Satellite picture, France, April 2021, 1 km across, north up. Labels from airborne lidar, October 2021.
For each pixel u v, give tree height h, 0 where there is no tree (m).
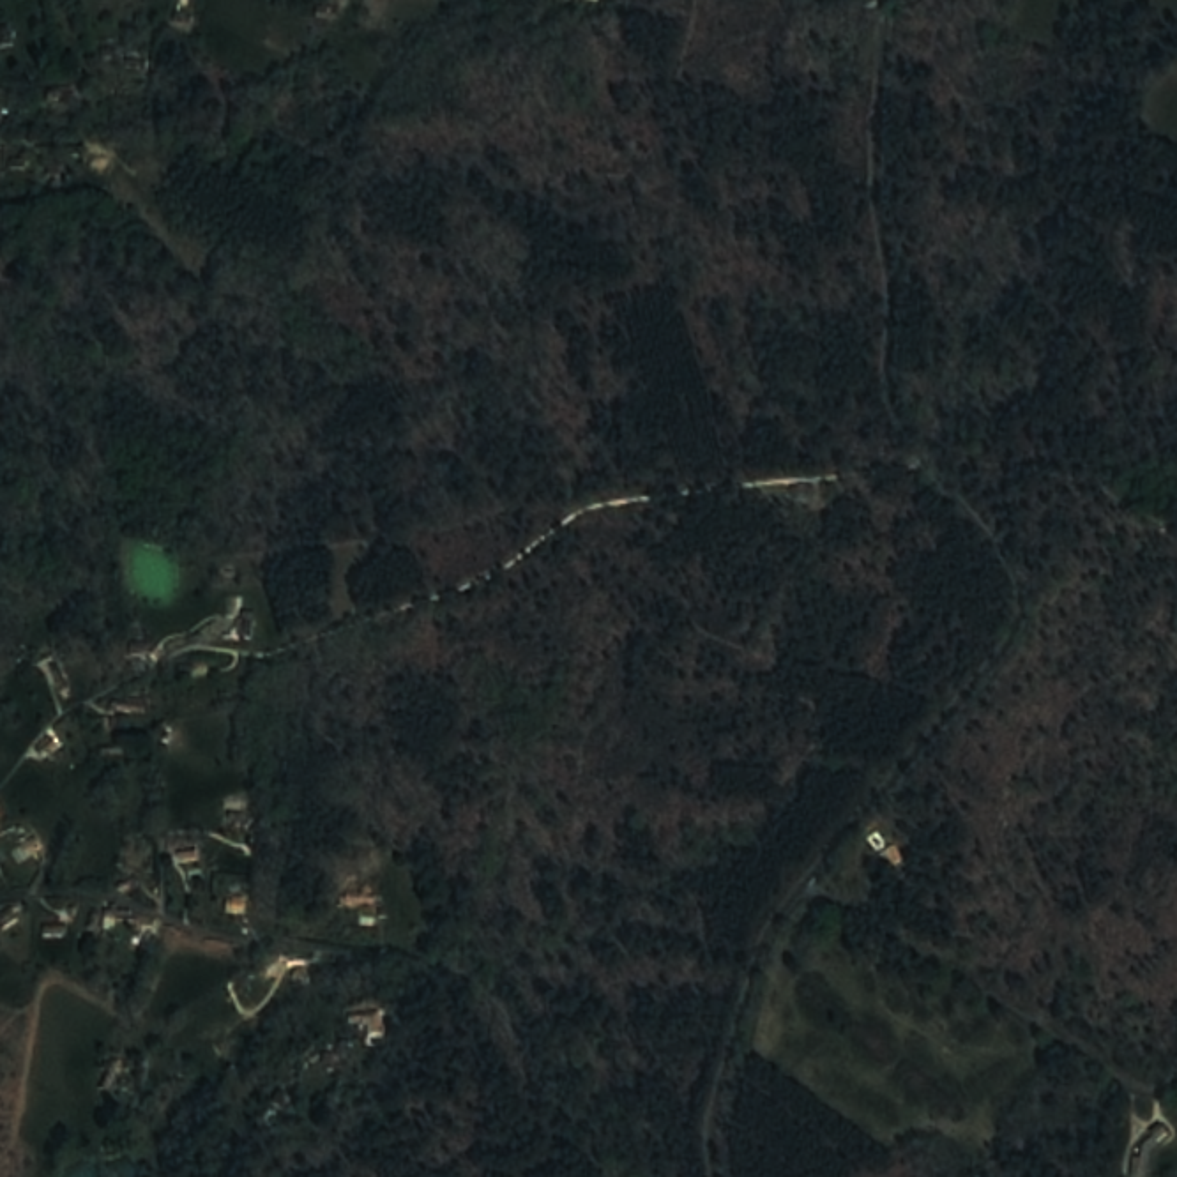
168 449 28
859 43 17
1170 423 11
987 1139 0
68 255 23
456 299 11
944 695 13
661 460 15
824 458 16
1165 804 9
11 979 0
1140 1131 0
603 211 8
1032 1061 0
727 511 15
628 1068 12
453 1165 6
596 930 20
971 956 18
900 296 17
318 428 16
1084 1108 16
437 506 17
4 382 15
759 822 15
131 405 28
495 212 22
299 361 18
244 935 0
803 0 16
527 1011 23
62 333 21
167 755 0
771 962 17
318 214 16
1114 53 13
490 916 13
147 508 17
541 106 17
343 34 0
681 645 11
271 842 21
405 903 0
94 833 0
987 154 16
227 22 0
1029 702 20
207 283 11
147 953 17
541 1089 17
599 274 19
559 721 16
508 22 18
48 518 12
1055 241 7
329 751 10
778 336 15
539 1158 24
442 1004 26
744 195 15
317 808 22
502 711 6
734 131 20
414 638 11
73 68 13
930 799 7
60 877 19
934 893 24
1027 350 20
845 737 17
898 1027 0
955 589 17
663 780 12
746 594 14
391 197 25
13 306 22
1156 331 7
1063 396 27
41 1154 0
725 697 9
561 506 15
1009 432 23
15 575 23
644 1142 16
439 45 19
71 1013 0
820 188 15
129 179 0
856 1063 0
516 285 18
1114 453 14
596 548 7
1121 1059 19
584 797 8
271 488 19
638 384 12
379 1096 15
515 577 6
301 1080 12
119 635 13
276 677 19
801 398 20
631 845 16
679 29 13
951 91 15
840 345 23
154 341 15
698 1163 13
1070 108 10
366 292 22
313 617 18
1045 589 18
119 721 11
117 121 8
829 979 0
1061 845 10
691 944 14
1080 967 20
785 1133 16
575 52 19
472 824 8
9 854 0
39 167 8
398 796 12
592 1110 13
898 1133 0
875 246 7
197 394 22
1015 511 12
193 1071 15
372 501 21
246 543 9
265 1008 0
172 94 15
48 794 0
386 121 19
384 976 24
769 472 15
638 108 13
